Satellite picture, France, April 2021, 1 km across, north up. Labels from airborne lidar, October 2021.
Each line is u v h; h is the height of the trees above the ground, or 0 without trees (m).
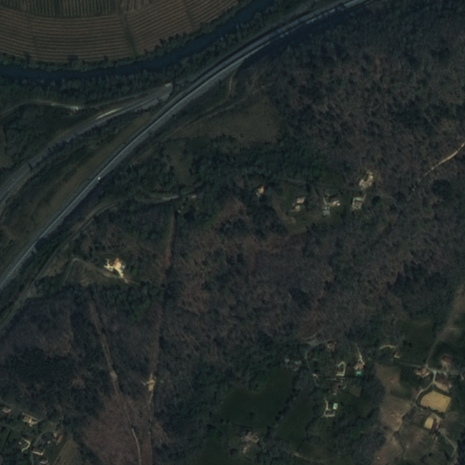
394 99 11
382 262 17
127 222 11
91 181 0
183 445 14
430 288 21
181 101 0
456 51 13
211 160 11
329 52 13
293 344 17
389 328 21
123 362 15
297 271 9
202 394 27
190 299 12
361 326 18
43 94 25
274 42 0
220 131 0
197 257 17
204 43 0
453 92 14
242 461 0
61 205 0
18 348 15
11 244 6
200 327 14
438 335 18
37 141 15
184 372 16
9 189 0
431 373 0
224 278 24
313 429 19
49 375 17
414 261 8
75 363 14
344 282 17
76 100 14
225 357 15
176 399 15
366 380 8
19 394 19
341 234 14
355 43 19
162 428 21
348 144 16
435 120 11
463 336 0
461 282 16
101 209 0
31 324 19
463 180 18
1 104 17
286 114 22
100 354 18
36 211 0
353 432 29
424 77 16
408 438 0
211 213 18
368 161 14
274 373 15
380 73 9
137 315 20
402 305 13
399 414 0
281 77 14
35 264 10
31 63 32
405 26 23
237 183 17
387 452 0
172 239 0
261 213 28
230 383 19
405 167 12
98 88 20
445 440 22
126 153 0
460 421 0
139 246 17
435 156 12
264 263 15
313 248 19
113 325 17
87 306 19
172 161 18
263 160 14
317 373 9
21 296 0
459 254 22
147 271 17
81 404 28
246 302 18
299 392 10
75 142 16
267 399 0
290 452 22
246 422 0
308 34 7
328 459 0
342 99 15
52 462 0
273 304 8
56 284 6
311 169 17
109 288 0
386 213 16
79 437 19
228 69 0
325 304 15
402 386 0
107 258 0
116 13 0
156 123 0
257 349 12
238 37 25
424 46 20
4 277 0
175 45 16
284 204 10
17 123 14
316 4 12
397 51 16
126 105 0
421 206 11
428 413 12
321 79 9
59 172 0
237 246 21
